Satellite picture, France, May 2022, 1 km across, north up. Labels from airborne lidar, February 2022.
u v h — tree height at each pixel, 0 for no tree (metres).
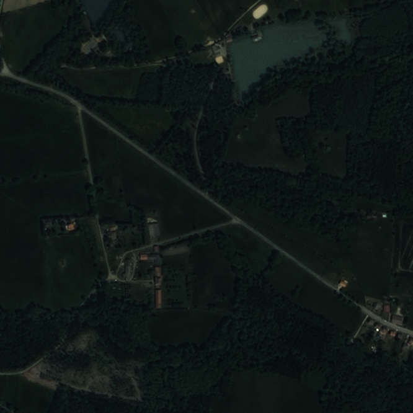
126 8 20
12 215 0
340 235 27
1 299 0
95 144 0
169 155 0
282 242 0
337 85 20
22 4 0
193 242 18
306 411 0
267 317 17
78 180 0
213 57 0
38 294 0
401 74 21
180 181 0
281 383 0
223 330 23
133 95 0
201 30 0
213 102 20
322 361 23
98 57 13
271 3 0
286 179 27
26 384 0
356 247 0
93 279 0
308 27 0
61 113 0
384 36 17
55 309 0
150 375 26
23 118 0
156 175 0
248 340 31
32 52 0
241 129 0
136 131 0
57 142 0
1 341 18
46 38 0
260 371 8
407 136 23
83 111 0
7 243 0
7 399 0
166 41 0
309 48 0
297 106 0
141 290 0
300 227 22
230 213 0
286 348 16
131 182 0
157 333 0
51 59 25
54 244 0
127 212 0
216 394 21
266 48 0
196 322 0
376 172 13
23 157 0
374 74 18
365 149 23
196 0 0
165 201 0
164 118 0
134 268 0
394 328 0
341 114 16
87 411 14
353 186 17
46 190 0
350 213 0
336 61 18
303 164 0
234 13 0
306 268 0
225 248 23
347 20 0
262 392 0
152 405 20
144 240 11
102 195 17
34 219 0
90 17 0
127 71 0
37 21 0
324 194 27
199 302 0
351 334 15
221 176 23
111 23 22
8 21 0
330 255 0
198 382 19
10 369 14
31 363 8
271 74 20
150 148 8
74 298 0
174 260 0
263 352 27
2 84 15
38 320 20
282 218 24
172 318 0
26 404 0
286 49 0
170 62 14
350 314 0
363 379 21
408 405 21
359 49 19
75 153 0
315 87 23
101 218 0
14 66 0
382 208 0
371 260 0
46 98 18
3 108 0
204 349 20
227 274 0
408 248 0
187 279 8
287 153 20
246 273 22
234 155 0
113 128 0
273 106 0
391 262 0
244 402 0
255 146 0
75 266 0
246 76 0
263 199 18
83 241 0
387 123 22
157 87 7
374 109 26
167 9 0
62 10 0
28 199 0
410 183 23
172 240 0
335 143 0
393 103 24
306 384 0
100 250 0
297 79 18
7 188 0
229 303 0
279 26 0
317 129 20
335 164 0
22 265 0
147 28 0
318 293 0
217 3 0
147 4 0
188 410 20
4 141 0
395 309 0
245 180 25
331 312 0
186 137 17
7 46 0
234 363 28
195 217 0
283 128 16
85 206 0
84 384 0
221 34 0
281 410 0
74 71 0
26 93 21
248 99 23
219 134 17
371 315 0
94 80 0
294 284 0
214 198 12
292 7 0
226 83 20
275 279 0
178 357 26
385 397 18
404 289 0
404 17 16
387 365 26
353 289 0
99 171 0
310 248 0
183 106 17
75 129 0
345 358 25
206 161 23
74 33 8
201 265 0
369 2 0
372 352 0
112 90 0
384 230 0
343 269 0
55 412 26
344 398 20
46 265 0
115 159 0
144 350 29
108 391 0
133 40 23
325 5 0
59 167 0
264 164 0
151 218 0
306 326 32
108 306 20
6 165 0
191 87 21
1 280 0
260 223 0
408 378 24
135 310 22
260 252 0
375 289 0
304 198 21
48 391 0
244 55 0
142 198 0
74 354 36
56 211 0
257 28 18
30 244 0
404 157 20
